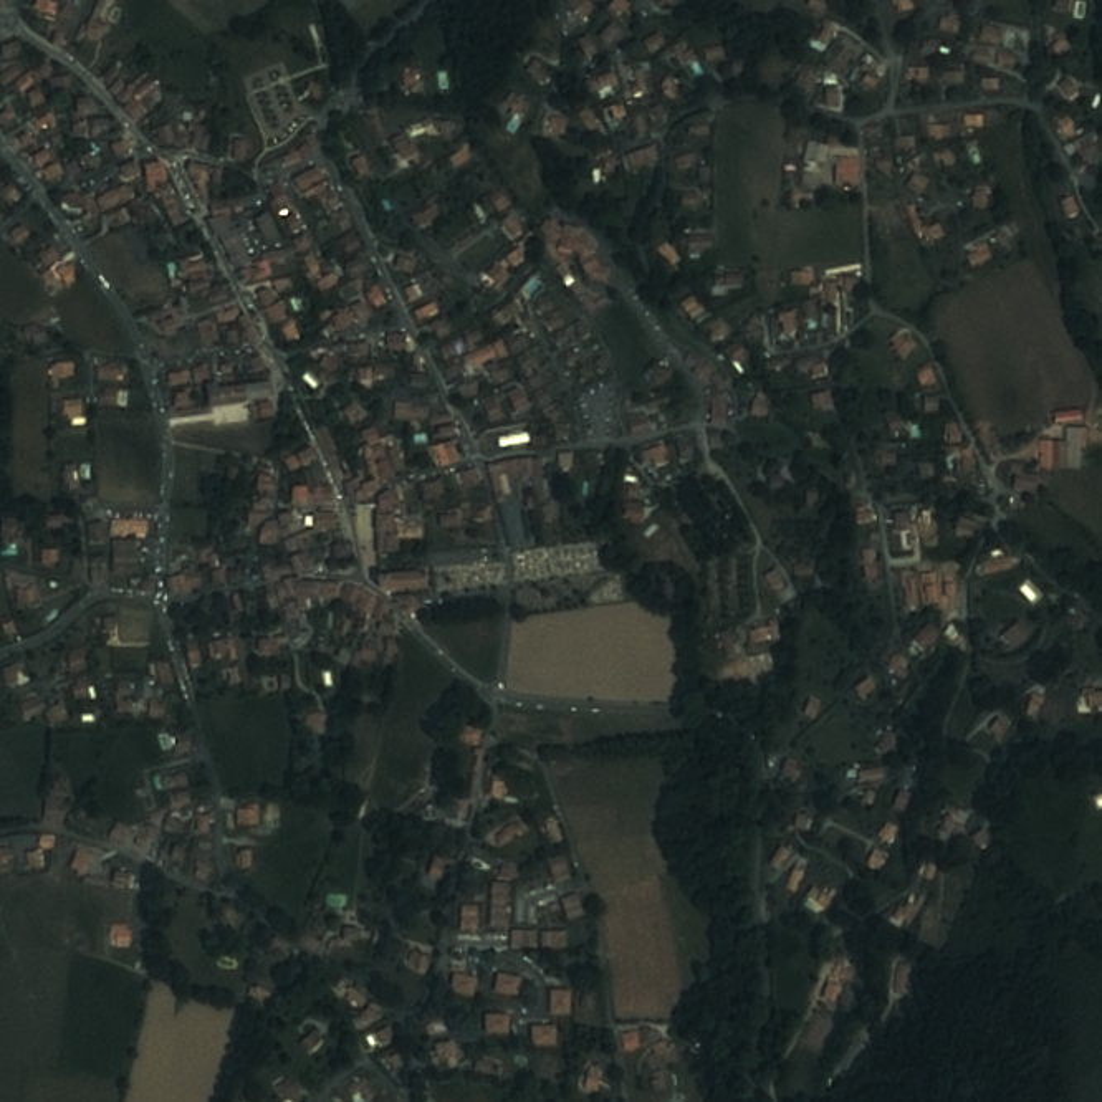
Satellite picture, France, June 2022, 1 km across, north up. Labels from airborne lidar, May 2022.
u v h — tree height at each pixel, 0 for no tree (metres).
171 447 0
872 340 13
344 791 19
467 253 0
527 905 0
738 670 0
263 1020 19
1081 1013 0
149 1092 0
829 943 20
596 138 16
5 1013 0
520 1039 20
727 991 24
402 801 0
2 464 23
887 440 8
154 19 0
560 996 0
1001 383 0
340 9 20
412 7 9
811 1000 0
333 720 19
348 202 0
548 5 21
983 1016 26
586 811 0
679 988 0
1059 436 0
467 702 18
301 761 17
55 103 15
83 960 0
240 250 0
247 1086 20
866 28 7
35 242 8
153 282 0
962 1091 22
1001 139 0
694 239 0
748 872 10
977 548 8
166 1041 0
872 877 13
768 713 29
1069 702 0
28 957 0
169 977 12
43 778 8
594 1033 11
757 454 14
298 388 7
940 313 0
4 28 0
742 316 0
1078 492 0
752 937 30
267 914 6
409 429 10
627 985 0
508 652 0
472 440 0
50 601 0
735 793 31
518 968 0
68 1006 0
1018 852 0
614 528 12
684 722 23
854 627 19
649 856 0
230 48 0
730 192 0
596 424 0
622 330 0
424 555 9
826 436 12
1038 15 10
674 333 0
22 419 0
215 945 21
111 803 0
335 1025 6
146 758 0
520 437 0
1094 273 0
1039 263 0
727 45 13
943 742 14
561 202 17
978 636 11
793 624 17
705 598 10
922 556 0
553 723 0
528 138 0
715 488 16
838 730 0
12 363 8
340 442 15
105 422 0
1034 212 0
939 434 0
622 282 0
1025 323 0
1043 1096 17
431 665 0
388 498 0
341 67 19
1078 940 9
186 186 0
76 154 7
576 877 10
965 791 0
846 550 12
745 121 0
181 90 6
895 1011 0
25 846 0
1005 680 0
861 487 0
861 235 0
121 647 0
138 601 0
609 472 17
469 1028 30
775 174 0
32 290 0
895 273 0
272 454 9
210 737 0
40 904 0
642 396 9
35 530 14
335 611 9
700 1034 16
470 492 0
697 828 18
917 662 5
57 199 8
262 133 0
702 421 0
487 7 29
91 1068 0
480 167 6
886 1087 11
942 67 15
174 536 0
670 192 14
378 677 5
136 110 0
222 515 7
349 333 0
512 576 0
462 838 19
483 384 6
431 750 0
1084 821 0
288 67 0
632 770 0
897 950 9
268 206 6
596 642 0
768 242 0
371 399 8
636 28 12
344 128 14
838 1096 13
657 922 0
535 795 0
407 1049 18
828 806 21
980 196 0
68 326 0
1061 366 0
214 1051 0
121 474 0
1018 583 0
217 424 0
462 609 25
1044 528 0
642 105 0
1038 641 7
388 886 7
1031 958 17
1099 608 8
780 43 15
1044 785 0
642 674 0
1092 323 20
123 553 0
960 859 13
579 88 16
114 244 0
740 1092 26
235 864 0
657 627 0
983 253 0
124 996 0
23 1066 0
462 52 25
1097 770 18
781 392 6
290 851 0
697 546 15
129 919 0
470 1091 0
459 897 9
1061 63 11
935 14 0
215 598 11
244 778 0
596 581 0
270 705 0
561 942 0
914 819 19
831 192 14
